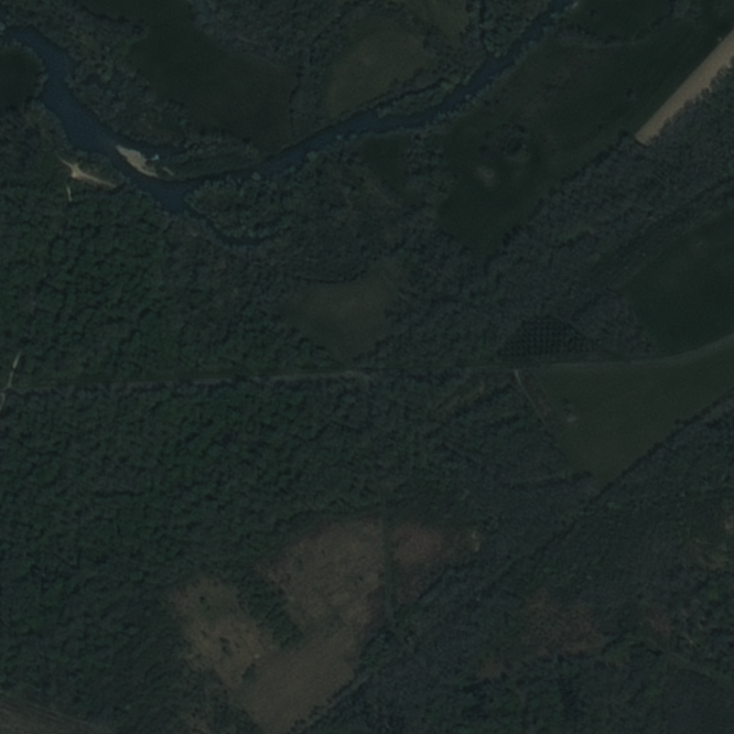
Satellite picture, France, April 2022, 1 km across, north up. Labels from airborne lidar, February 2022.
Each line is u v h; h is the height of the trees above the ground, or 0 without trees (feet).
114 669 35
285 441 74
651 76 0
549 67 0
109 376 68
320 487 86
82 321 69
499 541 74
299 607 0
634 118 0
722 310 0
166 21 0
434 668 74
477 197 0
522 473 79
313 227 57
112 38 74
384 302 0
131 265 83
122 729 21
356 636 0
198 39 0
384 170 0
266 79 0
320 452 71
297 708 0
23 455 67
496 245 0
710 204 57
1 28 45
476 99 52
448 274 75
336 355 0
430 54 57
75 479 87
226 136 39
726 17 0
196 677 18
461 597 68
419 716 85
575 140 0
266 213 47
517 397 86
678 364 0
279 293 44
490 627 91
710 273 0
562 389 0
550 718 85
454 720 86
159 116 37
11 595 78
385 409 87
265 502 77
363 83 0
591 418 0
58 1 67
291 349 81
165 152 0
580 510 50
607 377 0
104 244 89
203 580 0
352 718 85
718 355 0
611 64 0
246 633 0
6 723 0
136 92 21
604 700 82
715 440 61
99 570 73
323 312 0
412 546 0
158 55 0
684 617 80
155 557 80
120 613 86
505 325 87
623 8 0
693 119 81
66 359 50
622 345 66
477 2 47
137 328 62
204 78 0
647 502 31
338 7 37
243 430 76
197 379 0
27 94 0
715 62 0
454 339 79
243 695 0
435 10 0
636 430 0
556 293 60
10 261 80
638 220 70
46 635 81
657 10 0
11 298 83
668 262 0
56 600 63
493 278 81
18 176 34
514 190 0
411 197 0
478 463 68
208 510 78
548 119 0
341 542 0
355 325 0
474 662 35
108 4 0
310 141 0
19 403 73
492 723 77
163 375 42
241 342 64
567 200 67
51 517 23
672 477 73
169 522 75
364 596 0
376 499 73
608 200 73
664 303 0
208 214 50
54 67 0
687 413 0
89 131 0
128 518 78
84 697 60
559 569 33
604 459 0
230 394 73
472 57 58
